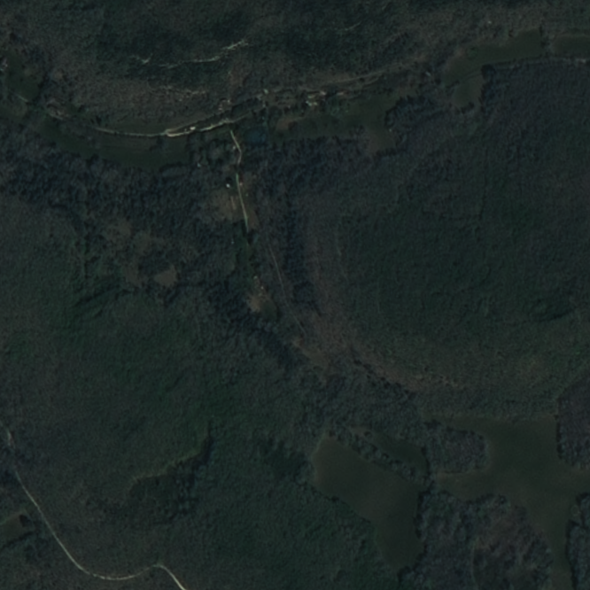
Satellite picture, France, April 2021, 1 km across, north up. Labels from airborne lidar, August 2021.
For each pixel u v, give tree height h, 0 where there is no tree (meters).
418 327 10
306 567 12
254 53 11
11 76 11
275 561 13
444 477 0
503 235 13
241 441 17
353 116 0
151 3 9
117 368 18
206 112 9
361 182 13
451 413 24
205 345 13
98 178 13
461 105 0
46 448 19
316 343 13
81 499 11
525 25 16
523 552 10
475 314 8
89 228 15
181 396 16
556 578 0
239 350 20
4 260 15
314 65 8
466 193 12
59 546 16
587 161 10
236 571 13
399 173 19
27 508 18
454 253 12
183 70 12
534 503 0
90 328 21
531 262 14
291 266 11
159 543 15
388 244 11
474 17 19
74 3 9
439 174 8
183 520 15
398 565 0
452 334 8
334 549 18
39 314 17
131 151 0
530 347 9
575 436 13
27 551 17
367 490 0
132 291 14
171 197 5
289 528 21
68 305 20
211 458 19
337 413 13
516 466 0
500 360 10
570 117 8
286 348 12
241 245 6
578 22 19
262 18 10
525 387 11
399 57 21
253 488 17
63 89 9
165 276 0
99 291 10
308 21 10
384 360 11
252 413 23
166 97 7
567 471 0
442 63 7
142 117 12
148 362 12
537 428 0
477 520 14
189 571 11
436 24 8
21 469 22
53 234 16
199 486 20
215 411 22
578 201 11
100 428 11
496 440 0
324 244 13
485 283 9
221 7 9
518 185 8
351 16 7
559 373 20
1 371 12
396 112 6
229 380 20
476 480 0
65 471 12
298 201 11
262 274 15
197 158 23
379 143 0
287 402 20
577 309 8
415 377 8
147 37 8
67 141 0
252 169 6
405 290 11
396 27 12
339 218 12
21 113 25
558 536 0
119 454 10
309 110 18
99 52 11
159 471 20
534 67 6
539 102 9
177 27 9
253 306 0
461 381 11
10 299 15
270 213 6
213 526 12
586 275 7
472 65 0
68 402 13
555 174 8
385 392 14
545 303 8
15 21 16
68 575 12
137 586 14
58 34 16
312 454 14
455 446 16
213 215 7
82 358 12
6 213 14
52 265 19
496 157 10
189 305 20
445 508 18
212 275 15
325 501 21
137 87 14
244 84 11
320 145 10
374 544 15
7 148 9
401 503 0
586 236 9
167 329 19
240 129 15
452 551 7
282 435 19
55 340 15
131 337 14
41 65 17
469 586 17
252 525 14
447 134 15
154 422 14
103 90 15
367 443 9
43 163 15
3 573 13
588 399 6
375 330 13
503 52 0
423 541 20
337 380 7
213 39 7
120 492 14
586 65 8
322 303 14
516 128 5
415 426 23
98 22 17
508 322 10
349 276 9
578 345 23
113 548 12
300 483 20
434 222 12
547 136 9
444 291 10
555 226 12
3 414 11
